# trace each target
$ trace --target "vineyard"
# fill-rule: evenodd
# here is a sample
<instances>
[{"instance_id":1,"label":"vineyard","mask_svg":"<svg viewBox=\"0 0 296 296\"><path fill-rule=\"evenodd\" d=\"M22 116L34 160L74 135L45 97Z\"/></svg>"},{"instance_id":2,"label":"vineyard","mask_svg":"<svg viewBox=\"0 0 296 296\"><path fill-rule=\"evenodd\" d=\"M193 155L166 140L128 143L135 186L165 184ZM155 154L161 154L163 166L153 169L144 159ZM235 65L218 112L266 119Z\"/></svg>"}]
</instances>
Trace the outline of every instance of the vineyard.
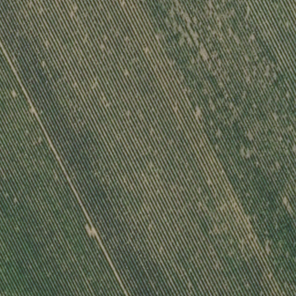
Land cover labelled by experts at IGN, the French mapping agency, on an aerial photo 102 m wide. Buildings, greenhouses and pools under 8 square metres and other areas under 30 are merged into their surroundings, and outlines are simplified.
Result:
<instances>
[{"instance_id":1,"label":"vineyard","mask_svg":"<svg viewBox=\"0 0 296 296\"><path fill-rule=\"evenodd\" d=\"M296 296L296 0L0 0L0 296Z\"/></svg>"}]
</instances>

